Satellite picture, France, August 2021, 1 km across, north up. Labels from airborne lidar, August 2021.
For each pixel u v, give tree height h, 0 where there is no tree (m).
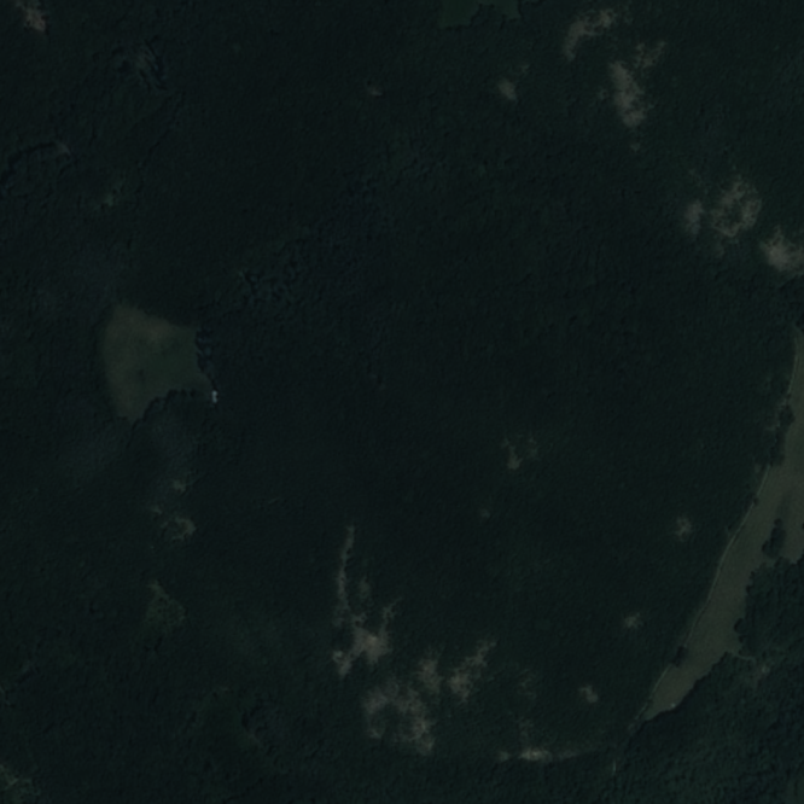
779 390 11
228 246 22
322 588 14
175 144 21
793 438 0
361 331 17
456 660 8
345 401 18
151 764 19
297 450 12
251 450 13
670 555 10
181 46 24
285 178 24
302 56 24
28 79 22
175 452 10
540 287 18
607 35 9
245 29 22
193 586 18
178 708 21
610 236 22
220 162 22
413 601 9
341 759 17
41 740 22
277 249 25
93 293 17
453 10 0
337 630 8
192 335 0
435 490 24
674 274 20
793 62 11
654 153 7
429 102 27
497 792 15
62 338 17
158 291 14
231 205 21
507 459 11
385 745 13
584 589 13
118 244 20
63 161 23
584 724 11
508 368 22
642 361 22
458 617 10
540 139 23
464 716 14
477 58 10
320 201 26
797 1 14
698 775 13
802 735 16
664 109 9
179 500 13
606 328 21
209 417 14
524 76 7
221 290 30
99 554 14
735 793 18
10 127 24
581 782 12
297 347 25
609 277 21
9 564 15
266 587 15
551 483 17
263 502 12
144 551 13
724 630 0
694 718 14
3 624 12
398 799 13
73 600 23
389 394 18
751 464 9
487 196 23
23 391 16
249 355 22
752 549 0
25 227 27
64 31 25
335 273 21
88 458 11
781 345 19
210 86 21
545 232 25
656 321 22
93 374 16
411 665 8
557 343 20
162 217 19
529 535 15
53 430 17
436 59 12
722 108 13
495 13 6
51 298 22
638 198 28
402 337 17
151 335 0
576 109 13
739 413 17
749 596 7
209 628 12
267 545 16
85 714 28
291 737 14
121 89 32
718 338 15
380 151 21
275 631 8
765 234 9
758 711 11
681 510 12
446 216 14
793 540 0
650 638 10
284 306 23
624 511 16
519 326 27
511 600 14
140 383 0
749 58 16
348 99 25
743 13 13
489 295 17
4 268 18
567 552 16
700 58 13
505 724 12
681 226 11
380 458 26
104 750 28
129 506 14
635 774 18
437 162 22
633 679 10
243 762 7
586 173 27
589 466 13
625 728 14
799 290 26
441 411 14
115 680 30
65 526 17
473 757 11
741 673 8
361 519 13
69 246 18
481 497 11
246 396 16
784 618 16
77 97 26
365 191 24
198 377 0
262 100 21
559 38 9
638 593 8
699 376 12
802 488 0
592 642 22
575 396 16
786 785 6
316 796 18
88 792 15
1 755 19
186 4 23
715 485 10
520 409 16
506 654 9
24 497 11
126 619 20
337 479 11
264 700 19
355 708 14
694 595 14
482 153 24
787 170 17
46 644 24
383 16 23
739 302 16
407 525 22
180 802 17
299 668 21
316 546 10
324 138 24
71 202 21
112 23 23
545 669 10
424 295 16
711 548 10
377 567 9
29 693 17
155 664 28
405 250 19
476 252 17
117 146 12
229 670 19
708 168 12
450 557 15
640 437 17
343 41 24
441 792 20
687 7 8
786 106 12
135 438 13
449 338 23
